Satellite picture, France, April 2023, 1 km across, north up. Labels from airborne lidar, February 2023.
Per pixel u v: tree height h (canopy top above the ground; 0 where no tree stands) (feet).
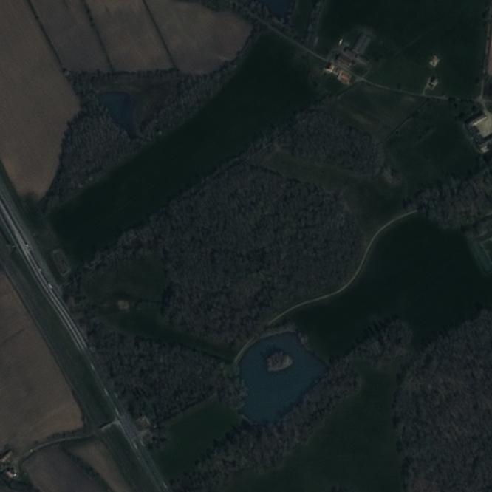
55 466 0
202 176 0
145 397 86
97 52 0
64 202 64
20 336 0
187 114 25
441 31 0
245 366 0
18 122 0
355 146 89
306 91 0
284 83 0
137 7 0
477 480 67
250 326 86
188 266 85
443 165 0
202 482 45
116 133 103
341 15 0
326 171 0
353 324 0
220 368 86
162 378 80
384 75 0
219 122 0
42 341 0
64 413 0
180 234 85
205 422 0
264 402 0
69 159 82
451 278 0
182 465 0
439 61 0
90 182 69
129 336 0
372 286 0
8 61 0
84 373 0
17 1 0
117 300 0
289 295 56
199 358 90
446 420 104
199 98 62
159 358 74
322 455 0
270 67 0
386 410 0
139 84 0
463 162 0
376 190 0
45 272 0
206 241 85
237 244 96
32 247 0
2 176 0
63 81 0
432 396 27
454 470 80
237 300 94
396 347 47
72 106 0
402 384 76
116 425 0
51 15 0
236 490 0
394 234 0
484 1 0
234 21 0
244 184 114
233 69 48
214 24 0
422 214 58
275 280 48
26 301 0
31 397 0
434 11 0
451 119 0
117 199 0
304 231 67
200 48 0
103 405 0
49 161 0
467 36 0
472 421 103
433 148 0
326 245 45
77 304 23
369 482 0
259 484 0
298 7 0
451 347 83
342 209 92
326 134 92
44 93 0
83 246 0
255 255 42
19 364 0
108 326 0
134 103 0
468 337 84
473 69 0
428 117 0
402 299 0
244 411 0
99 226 0
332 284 48
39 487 0
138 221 0
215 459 84
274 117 0
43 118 0
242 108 0
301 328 0
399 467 0
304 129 85
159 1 0
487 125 0
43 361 0
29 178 0
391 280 0
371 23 0
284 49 0
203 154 0
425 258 0
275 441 89
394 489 0
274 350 0
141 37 0
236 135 0
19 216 0
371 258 0
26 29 0
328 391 71
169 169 0
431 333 0
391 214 0
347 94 0
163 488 0
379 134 0
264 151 44
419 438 85
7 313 0
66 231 0
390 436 0
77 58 0
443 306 0
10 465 31
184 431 0
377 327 0
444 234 0
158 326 0
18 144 0
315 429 74
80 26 0
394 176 38
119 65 0
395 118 0
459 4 0
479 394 96
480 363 105
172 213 62
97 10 0
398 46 0
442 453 82
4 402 0
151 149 0
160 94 0
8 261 0
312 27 34
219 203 89
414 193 0
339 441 0
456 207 109
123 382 71
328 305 0
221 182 72
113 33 0
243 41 0
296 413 66
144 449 0
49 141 0
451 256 0
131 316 0
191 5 0
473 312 0
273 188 88
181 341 0
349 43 0
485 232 74
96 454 0
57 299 0
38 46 0
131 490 0
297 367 0
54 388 0
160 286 0
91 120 64
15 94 0
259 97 0
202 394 59
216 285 97
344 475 0
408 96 0
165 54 0
